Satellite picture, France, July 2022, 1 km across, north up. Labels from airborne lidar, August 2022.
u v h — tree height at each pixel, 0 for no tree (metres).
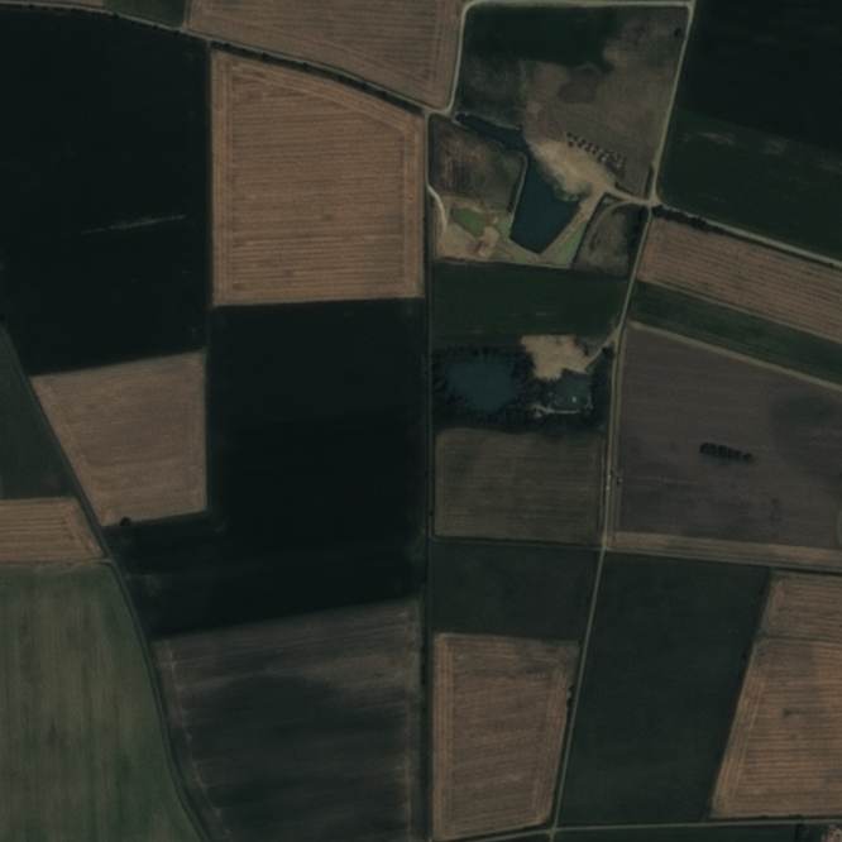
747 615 0
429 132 0
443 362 15
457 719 0
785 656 0
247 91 0
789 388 0
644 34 0
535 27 0
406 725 0
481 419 6
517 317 0
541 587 0
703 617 0
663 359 0
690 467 0
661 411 0
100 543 0
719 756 0
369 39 0
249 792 0
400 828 0
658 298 0
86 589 0
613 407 0
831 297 0
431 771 0
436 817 0
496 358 19
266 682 0
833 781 0
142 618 0
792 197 0
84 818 0
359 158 0
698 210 0
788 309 0
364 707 0
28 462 0
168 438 0
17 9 7
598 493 0
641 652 0
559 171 0
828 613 0
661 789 0
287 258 0
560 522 0
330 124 0
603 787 0
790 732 0
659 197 0
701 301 0
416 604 0
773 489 0
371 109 0
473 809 0
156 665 0
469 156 0
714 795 0
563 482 0
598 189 0
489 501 0
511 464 0
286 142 0
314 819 0
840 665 0
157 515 0
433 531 0
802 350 0
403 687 0
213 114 0
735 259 0
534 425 17
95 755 0
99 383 0
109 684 0
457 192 0
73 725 0
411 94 0
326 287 0
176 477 0
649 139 0
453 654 0
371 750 0
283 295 0
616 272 0
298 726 0
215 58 0
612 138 0
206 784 0
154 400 0
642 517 0
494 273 0
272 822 0
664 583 0
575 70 0
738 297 0
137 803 0
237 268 0
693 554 0
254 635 0
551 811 0
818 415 0
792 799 0
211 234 0
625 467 0
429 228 0
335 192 0
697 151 0
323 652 0
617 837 0
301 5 0
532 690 0
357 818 0
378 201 0
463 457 0
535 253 0
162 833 0
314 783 0
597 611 0
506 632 0
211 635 0
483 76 0
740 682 0
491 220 0
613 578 0
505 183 0
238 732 0
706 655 0
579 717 0
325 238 0
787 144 0
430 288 0
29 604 0
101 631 0
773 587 0
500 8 0
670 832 0
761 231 0
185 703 0
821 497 0
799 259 0
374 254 0
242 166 0
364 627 0
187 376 0
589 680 0
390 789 0
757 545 0
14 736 0
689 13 11
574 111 0
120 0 0
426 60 0
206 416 0
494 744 0
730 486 0
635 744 0
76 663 0
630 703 0
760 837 0
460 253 0
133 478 0
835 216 0
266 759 0
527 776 0
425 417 0
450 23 0
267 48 0
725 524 0
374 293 0
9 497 0
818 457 0
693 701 0
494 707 0
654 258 0
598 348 0
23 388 0
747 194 0
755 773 0
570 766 0
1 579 0
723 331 0
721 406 0
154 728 0
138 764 0
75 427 0
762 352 0
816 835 0
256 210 0
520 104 0
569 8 0
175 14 0
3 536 0
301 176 0
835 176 0
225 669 0
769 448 0
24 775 0
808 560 0
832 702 0
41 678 0
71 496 0
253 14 0
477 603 0
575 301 0
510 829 0
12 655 0
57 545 0
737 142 0
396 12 0
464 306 0
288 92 0
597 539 0
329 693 0
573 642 0
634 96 0
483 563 0
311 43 0
